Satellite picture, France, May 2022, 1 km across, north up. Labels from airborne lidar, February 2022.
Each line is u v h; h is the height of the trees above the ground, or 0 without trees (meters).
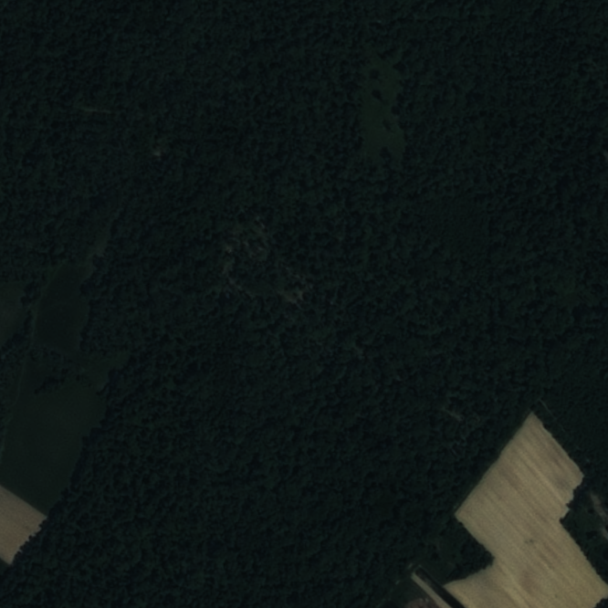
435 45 27
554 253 29
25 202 29
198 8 16
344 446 25
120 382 25
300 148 28
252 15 30
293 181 27
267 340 21
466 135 28
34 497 0
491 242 13
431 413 28
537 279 25
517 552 0
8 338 0
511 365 22
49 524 13
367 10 23
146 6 28
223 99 9
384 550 19
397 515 24
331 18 28
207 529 20
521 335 28
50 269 9
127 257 17
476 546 20
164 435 24
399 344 28
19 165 26
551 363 22
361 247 31
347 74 28
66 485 0
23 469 0
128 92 26
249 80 31
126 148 31
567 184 28
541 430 0
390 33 19
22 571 14
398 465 25
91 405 0
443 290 26
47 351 11
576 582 0
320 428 24
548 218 27
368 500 28
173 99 27
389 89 0
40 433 0
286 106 28
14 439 0
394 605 0
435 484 27
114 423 19
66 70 24
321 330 26
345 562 27
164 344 25
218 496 26
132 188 26
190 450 24
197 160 24
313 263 31
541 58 18
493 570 0
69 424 0
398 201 28
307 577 23
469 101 30
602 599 0
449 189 26
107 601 19
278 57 29
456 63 27
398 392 27
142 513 27
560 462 0
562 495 0
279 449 22
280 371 24
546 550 0
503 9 21
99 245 0
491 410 27
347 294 20
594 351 23
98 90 27
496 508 0
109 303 25
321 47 28
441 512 23
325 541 26
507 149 24
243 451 25
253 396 28
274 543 23
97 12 28
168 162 28
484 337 24
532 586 0
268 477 25
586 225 27
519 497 0
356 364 29
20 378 0
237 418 26
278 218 28
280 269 26
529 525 0
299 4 15
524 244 28
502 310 28
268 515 28
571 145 11
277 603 27
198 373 28
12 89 25
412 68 27
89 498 17
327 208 32
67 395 0
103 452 21
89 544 14
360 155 28
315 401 22
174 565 20
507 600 0
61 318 0
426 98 25
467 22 19
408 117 25
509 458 0
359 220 30
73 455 0
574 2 24
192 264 20
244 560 27
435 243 24
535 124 11
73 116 17
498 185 22
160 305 28
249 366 26
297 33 29
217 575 26
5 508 0
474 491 0
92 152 24
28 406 0
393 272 20
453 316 30
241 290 25
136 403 23
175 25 28
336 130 16
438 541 0
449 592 0
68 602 20
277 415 27
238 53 7
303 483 8
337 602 23
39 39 28
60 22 18
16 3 28
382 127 0
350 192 17
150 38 26
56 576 9
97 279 9
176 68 26
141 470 27
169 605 27
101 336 24
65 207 30
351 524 26
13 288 0
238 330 27
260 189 7
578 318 24
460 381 28
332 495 25
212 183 28
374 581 25
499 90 24
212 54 27
